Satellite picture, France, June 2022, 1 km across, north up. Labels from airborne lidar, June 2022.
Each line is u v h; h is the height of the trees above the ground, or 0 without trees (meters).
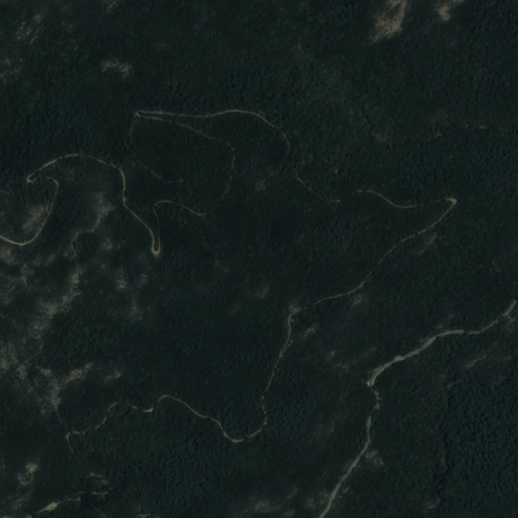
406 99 9
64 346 11
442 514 8
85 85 10
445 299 11
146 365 8
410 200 7
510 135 16
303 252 8
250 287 6
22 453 6
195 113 10
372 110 17
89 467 11
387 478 8
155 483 7
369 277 8
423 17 6
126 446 10
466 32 11
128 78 6
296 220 15
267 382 8
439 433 18
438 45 7
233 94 14
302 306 6
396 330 12
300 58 18
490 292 8
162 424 7
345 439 6
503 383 6
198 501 9
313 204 10
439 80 8
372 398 7
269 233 10
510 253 8
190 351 15
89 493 9
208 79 17
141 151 7
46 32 10
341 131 12
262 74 8
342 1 7
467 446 14
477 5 15
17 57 6
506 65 8
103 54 7
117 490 15
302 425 15
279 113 12
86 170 9
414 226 7
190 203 8
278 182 11
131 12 11
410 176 17
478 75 13
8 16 6
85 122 16
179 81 12
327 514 8
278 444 8
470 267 10
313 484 6
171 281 7
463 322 7
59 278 7
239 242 6
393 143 10
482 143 9
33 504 9
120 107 7
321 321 7
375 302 9
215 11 7
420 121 9
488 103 8
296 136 9
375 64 9
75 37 8
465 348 17
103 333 11
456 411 9
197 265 14
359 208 10
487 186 15
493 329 9
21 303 6
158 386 6
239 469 15
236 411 11
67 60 15
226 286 7
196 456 13
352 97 15
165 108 7
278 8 9
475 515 7
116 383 6
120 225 9
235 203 8
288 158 7
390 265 6
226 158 6
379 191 8
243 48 9
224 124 9
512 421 18
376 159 11
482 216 8
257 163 8
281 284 7
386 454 9
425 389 8
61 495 8
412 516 16
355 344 7
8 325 6
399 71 13
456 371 12
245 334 8
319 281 6
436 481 21
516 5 15
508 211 9
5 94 6
